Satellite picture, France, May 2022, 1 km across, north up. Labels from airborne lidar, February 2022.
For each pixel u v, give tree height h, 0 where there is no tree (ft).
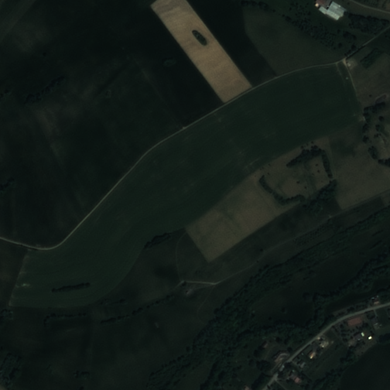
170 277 0
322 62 0
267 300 0
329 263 0
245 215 0
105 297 0
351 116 0
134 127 0
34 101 47
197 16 0
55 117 0
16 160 0
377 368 0
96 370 0
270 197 0
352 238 24
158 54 0
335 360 0
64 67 0
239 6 0
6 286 0
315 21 0
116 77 0
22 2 0
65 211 0
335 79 0
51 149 0
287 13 0
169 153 0
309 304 0
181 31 0
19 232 0
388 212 22
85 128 0
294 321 0
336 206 0
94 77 0
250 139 0
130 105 0
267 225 0
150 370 0
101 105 0
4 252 0
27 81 0
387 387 0
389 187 0
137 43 0
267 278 23
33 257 0
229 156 0
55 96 0
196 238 0
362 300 0
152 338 0
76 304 0
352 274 0
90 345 0
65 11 0
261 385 49
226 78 0
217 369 57
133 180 0
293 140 0
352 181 0
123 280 0
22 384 0
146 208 0
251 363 42
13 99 0
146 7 0
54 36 0
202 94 0
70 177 0
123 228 0
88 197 0
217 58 0
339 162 0
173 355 0
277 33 0
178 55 0
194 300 0
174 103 0
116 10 0
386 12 0
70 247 0
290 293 0
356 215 0
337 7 0
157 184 0
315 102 0
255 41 0
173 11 0
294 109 0
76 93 0
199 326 0
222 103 0
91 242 0
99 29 0
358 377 0
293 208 0
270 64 0
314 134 0
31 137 0
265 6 49
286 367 56
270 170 0
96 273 0
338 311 0
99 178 0
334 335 0
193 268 0
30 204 0
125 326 0
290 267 20
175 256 0
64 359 0
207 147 0
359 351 0
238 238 0
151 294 0
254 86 0
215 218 0
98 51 0
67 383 0
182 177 0
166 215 0
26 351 0
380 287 0
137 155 0
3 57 0
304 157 42
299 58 0
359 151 0
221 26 0
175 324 0
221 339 81
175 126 0
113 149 0
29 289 0
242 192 0
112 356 0
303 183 0
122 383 0
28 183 0
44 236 0
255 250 0
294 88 0
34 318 0
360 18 52
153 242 35
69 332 0
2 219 0
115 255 0
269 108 0
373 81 0
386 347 0
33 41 0
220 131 0
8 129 0
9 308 0
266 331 67
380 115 0
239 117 0
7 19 0
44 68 0
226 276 0
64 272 0
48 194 0
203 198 0
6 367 29
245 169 0
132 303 0
